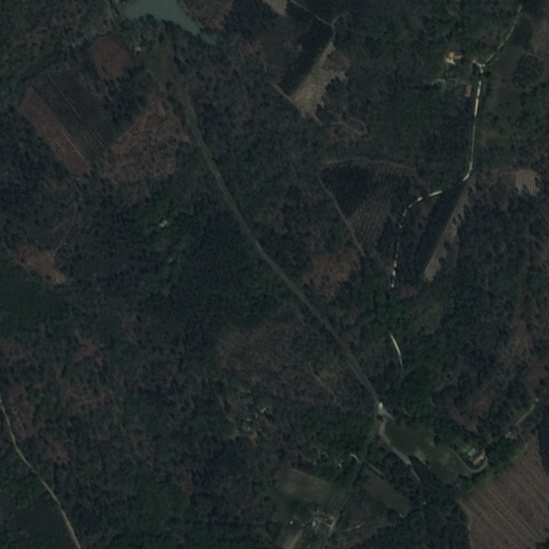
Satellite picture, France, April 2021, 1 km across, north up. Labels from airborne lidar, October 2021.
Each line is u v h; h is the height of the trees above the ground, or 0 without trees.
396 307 22
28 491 15
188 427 16
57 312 9
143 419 19
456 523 16
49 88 8
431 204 21
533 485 0
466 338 15
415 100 18
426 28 19
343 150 11
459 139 18
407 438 0
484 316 14
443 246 0
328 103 14
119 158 9
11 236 20
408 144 19
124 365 22
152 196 8
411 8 15
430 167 24
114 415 19
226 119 15
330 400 7
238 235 21
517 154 19
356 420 16
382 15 16
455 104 17
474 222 22
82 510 19
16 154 19
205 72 20
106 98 7
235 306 14
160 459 21
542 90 7
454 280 11
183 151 15
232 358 7
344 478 9
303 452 20
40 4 14
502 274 14
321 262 12
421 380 19
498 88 0
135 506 23
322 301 12
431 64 17
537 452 0
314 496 0
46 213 18
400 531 13
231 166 24
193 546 25
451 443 19
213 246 24
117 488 20
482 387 22
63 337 28
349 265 0
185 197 17
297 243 20
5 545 15
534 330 14
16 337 17
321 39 9
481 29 18
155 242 19
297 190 17
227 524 21
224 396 25
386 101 6
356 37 14
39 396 15
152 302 15
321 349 17
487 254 15
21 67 14
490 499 0
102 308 19
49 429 14
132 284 9
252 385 13
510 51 0
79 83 12
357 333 11
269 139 18
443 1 19
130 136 0
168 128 0
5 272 13
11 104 16
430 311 9
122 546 25
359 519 0
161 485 19
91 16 23
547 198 12
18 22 19
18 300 11
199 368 25
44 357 17
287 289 18
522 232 13
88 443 18
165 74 0
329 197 7
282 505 0
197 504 13
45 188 8
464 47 19
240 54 20
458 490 18
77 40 20
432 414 16
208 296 22
